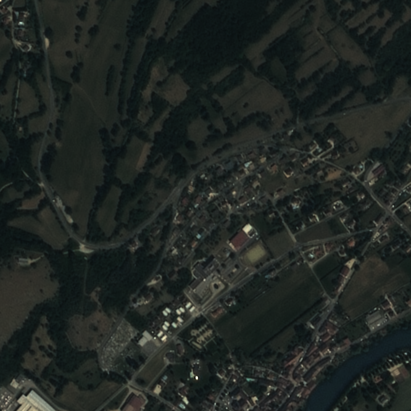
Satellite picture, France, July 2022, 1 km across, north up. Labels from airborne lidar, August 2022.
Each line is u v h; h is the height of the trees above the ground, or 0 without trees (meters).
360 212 7
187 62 14
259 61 0
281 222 6
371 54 13
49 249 14
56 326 14
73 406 0
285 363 0
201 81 9
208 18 17
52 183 0
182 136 16
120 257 10
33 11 8
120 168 0
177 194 0
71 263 6
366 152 0
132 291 7
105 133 19
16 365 7
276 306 0
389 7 8
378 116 0
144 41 0
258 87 0
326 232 0
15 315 0
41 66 10
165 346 0
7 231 21
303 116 8
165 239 9
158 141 14
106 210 0
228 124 13
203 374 0
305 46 0
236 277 0
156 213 0
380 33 8
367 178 0
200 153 0
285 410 0
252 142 0
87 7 8
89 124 0
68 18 0
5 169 23
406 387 0
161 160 10
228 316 0
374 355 0
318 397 0
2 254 12
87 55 0
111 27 0
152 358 0
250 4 19
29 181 18
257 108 0
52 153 20
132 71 0
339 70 18
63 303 6
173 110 7
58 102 12
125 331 0
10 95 0
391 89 18
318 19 0
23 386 0
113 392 0
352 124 0
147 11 7
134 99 13
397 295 6
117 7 0
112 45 0
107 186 13
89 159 0
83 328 0
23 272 0
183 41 9
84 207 0
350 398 19
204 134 0
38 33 11
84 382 0
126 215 0
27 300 0
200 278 0
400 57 10
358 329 0
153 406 7
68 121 0
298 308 0
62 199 0
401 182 6
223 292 0
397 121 0
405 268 0
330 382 0
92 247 0
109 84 10
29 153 16
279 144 13
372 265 0
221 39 19
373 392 10
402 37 10
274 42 7
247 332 0
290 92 13
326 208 7
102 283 6
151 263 11
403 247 12
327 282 0
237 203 7
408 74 17
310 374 0
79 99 0
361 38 14
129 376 28
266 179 0
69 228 0
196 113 7
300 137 13
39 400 0
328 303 0
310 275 0
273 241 0
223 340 8
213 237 6
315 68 0
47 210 0
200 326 12
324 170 5
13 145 22
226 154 0
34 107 0
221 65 9
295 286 0
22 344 11
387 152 14
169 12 0
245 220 7
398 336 0
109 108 0
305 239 0
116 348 0
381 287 0
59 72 0
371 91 5
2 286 0
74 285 7
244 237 0
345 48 0
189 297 0
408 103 0
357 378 14
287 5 11
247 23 16
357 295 0
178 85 0
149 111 0
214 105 13
